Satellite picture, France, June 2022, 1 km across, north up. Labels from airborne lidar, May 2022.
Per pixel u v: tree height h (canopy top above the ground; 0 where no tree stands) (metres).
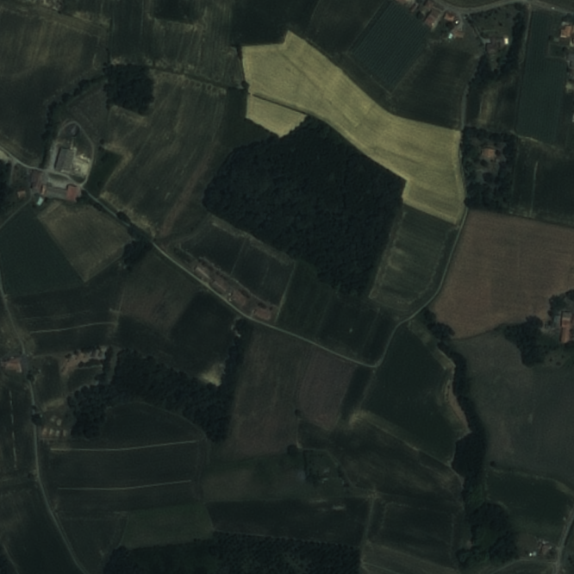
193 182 0
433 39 0
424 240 0
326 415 0
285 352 0
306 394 0
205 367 0
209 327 0
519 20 10
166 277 0
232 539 9
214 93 0
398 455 0
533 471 0
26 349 0
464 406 15
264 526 0
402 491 0
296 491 0
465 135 12
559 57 0
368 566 0
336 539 0
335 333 0
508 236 0
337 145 16
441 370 0
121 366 11
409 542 0
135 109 8
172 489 0
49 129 15
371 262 16
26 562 0
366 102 0
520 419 0
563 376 0
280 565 11
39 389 0
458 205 0
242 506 0
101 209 11
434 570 0
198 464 0
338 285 19
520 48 8
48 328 0
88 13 0
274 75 0
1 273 0
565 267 0
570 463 0
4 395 0
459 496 0
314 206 10
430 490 0
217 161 0
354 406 0
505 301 0
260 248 0
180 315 0
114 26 0
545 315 0
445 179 0
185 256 7
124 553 17
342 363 0
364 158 16
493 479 0
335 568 14
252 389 0
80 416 11
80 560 0
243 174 29
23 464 0
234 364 17
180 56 0
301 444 0
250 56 0
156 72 0
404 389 0
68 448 0
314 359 0
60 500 0
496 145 11
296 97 0
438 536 0
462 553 19
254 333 0
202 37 0
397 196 21
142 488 0
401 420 0
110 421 0
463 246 0
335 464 0
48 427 0
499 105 0
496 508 17
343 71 0
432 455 0
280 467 0
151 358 13
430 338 0
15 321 0
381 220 27
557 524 0
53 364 0
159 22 0
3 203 13
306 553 14
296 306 0
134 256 18
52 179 0
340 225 18
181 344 0
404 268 0
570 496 0
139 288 0
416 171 0
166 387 8
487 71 24
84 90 17
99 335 0
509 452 0
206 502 0
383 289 0
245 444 0
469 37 0
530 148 0
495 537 0
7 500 0
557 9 0
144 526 0
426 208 0
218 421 16
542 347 8
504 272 0
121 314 0
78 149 0
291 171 19
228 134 0
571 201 0
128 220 12
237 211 30
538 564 0
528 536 0
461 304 0
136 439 0
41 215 0
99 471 0
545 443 0
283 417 0
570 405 0
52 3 0
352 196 17
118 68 9
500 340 0
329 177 22
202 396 13
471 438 18
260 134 0
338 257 9
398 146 0
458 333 0
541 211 0
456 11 0
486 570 0
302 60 0
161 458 0
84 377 0
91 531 0
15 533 0
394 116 0
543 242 0
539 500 0
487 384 0
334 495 0
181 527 0
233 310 0
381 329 0
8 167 8
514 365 0
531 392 0
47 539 0
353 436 0
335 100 0
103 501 0
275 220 31
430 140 0
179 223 0
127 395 26
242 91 6
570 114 0
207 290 8
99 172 0
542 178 0
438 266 0
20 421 0
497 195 13
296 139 18
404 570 0
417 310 0
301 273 0
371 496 0
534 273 0
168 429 0
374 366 0
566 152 0
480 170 0
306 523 0
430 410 0
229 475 0
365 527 0
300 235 19
